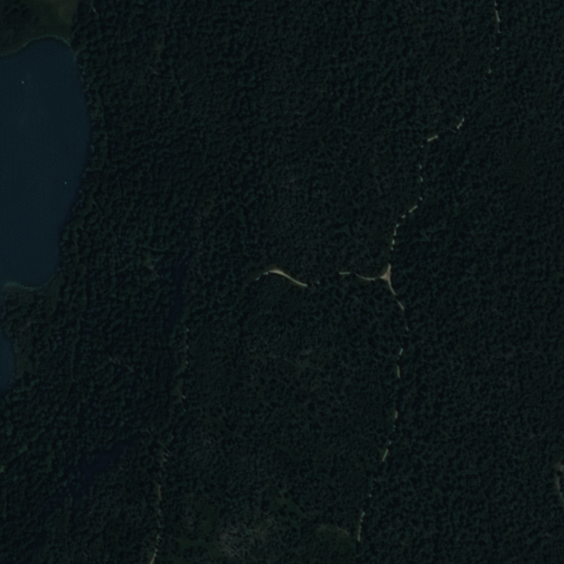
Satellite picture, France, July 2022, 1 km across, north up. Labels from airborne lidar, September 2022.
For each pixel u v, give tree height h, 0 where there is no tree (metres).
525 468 20
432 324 19
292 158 11
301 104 11
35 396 23
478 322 6
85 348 20
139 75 11
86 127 0
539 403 7
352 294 26
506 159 6
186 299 20
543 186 7
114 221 22
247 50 35
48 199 0
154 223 17
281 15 23
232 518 9
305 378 16
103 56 37
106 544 7
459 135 27
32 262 0
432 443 26
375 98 24
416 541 33
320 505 12
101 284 27
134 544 23
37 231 0
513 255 30
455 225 14
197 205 15
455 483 32
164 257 19
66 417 31
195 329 23
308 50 19
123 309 27
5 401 29
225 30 28
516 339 16
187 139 27
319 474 10
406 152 27
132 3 33
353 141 24
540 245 22
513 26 30
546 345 13
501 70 13
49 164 0
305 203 14
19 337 26
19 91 0
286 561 11
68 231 27
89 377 18
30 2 0
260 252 38
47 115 0
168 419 26
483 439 11
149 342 31
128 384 22
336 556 14
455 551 25
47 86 0
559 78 23
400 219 19
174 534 18
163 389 30
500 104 11
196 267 12
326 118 16
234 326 14
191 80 22
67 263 23
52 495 20
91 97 20
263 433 11
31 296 5
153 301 25
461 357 24
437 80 22
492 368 13
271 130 13
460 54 13
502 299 29
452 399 28
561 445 19
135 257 23
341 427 9
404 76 37
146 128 18
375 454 14
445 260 12
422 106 25
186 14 27
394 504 8
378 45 27
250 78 44
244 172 26
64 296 25
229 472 9
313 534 9
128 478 14
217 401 8
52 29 0
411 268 37
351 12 33
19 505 28
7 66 0
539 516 24
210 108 17
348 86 27
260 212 32
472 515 28
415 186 15
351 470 15
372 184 10
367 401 9
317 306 7
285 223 11
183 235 20
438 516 7
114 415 33
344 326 7
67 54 0
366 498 12
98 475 18
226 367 11
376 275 9
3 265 0
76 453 23
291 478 19
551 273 25
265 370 12
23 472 31
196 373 12
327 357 21
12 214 0
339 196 10
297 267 12
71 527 24
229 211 14
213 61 21
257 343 16
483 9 9
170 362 30
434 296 22
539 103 11
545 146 13
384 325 7
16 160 0
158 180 36
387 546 20
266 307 13
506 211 15
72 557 14
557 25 21
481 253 24
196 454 8
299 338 9
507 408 22
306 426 30
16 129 0
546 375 21
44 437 19
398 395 10
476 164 23
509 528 25
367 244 24
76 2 0
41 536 23
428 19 22
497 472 16
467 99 20
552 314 26
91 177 26
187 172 25
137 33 15
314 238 8
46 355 23
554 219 20
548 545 14
